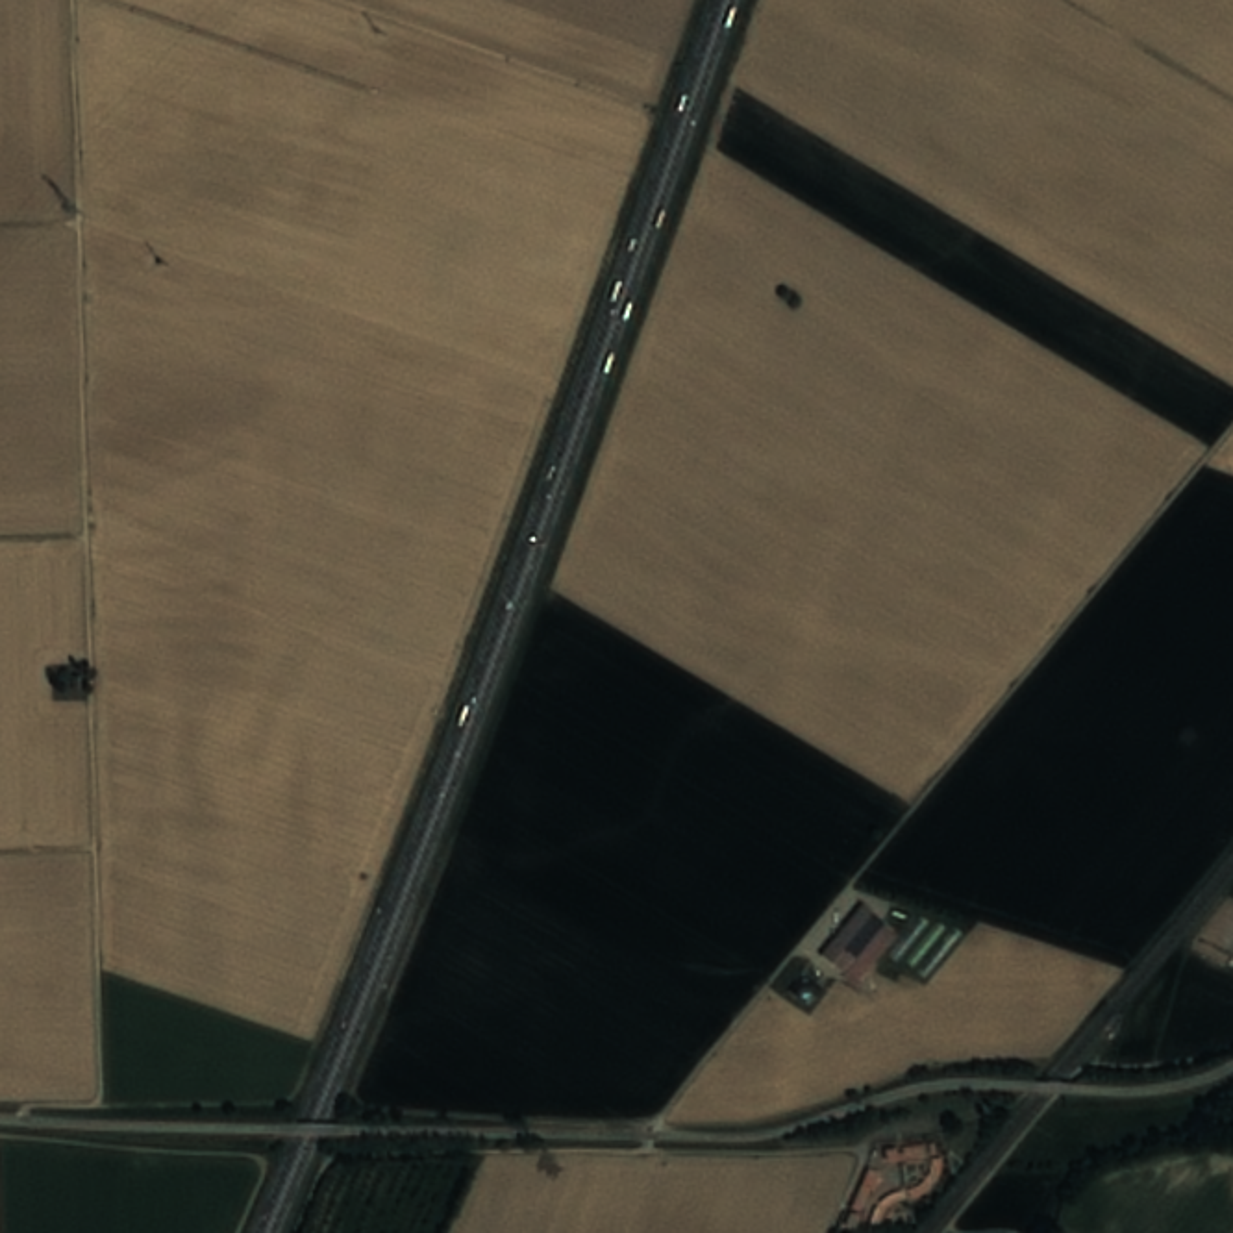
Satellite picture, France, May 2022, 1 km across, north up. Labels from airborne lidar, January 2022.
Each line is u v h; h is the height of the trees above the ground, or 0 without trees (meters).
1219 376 0
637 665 0
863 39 0
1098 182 0
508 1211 0
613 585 0
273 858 0
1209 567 0
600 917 0
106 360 0
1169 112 0
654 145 0
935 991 0
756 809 0
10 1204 0
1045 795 0
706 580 0
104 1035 0
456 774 0
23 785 0
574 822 0
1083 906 0
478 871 0
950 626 0
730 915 0
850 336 0
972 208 0
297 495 0
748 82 0
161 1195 0
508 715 0
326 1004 0
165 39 0
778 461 0
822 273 0
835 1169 0
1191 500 0
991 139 0
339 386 0
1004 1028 0
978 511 0
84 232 0
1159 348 0
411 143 0
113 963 0
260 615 0
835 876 0
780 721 0
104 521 0
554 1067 0
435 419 0
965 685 0
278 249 0
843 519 0
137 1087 0
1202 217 0
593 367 0
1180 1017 0
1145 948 0
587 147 0
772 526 0
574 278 0
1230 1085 14
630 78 0
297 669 0
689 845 0
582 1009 0
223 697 0
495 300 0
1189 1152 18
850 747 0
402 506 0
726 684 0
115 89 0
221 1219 0
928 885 0
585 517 0
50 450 0
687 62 0
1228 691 0
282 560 0
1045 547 0
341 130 0
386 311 0
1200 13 0
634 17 0
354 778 0
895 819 0
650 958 0
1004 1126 7
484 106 0
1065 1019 0
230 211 0
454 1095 0
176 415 0
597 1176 0
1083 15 0
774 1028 0
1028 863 0
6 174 0
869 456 0
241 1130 0
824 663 0
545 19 0
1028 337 0
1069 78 0
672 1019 0
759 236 0
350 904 0
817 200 0
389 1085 0
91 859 0
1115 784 0
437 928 0
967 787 0
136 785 0
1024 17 0
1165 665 0
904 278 0
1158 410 0
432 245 0
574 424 0
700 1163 0
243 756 0
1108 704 0
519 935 0
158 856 0
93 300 0
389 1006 0
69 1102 0
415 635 0
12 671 0
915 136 0
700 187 0
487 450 0
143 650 0
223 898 0
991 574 0
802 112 0
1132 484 0
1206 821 0
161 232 0
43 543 0
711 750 0
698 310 0
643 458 0
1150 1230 0
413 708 0
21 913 0
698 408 0
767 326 0
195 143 0
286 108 0
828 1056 0
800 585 0
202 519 0
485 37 0
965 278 0
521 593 0
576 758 0
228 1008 0
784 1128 0
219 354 0
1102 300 0
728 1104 0
